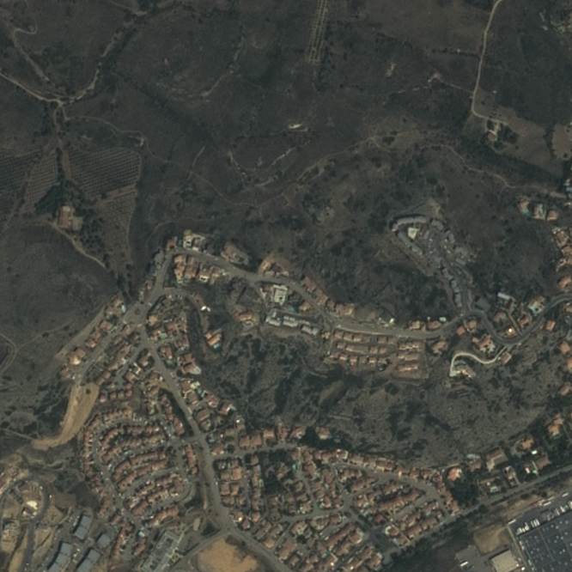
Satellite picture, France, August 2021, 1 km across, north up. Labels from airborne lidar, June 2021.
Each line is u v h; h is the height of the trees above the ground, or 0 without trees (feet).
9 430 0
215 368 0
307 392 0
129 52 0
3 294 0
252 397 0
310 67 0
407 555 32
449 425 0
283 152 0
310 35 0
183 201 0
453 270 0
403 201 0
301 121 0
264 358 0
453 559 0
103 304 0
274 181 0
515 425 0
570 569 0
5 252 0
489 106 0
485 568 0
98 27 0
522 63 0
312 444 31
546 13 0
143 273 0
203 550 0
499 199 0
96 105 0
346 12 0
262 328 0
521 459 29
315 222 0
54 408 0
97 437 0
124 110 0
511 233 31
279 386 0
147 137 0
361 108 0
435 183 0
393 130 0
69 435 0
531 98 0
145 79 0
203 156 0
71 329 0
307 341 0
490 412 0
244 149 0
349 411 0
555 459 25
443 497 19
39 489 0
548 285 0
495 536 0
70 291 0
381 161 0
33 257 0
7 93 0
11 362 0
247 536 0
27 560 0
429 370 0
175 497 0
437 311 0
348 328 0
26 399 0
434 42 0
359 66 0
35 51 0
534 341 0
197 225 0
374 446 0
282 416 0
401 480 0
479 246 0
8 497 0
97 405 0
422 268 0
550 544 0
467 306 0
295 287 0
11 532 0
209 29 0
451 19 0
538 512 0
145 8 36
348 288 0
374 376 0
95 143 0
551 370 0
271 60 0
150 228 0
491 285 0
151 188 0
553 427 0
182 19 0
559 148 0
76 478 0
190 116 0
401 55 0
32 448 0
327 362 0
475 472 18
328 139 0
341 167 0
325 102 0
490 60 19
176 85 0
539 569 0
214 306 0
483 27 0
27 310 0
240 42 0
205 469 0
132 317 0
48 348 0
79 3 0
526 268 0
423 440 0
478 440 0
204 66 0
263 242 0
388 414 0
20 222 0
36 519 0
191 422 0
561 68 0
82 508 0
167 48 0
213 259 0
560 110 0
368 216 0
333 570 0
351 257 0
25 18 0
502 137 20
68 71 0
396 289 0
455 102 0
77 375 0
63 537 0
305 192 0
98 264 0
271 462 25
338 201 0
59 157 21
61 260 0
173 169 0
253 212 0
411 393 0
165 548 0
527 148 0
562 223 0
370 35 0
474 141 19
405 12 0
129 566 0
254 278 0
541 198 31
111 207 0
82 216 29
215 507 0
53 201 26
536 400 0
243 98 0
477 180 0
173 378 0
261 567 0
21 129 0
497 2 0
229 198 0
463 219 0
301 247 0
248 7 0
